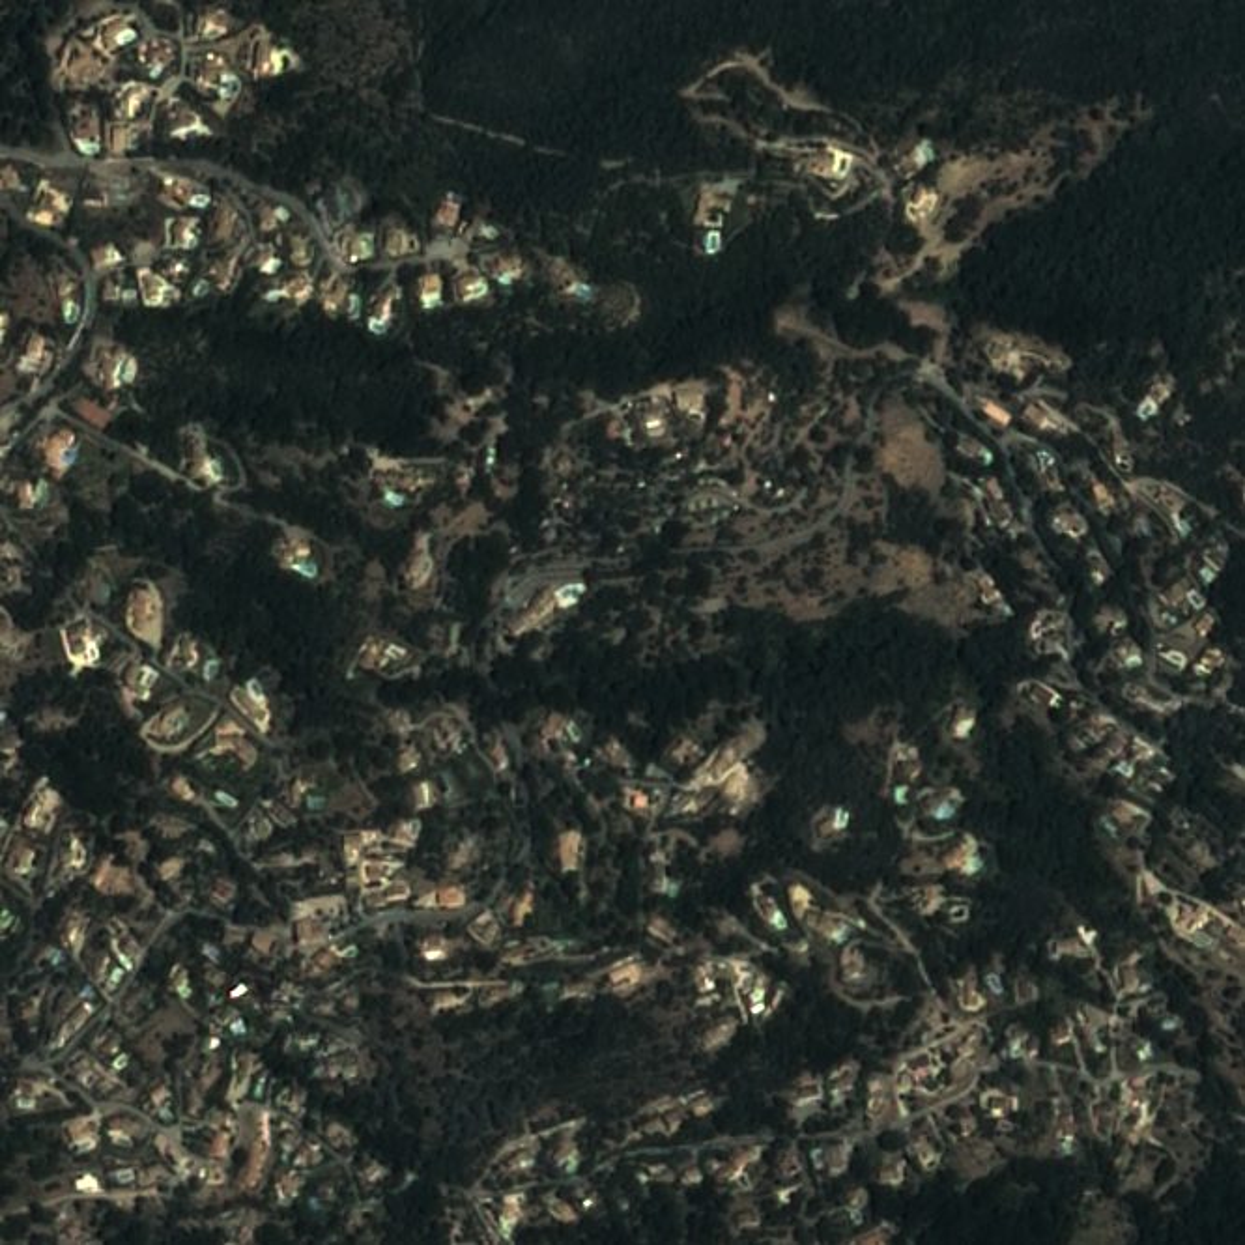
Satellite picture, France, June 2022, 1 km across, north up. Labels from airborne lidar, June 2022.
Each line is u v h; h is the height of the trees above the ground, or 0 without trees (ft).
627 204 34
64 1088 29
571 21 20
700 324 44
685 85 21
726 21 23
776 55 26
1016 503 18
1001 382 32
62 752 46
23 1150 41
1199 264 22
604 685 47
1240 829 44
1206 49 19
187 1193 42
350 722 23
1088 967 31
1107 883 44
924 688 48
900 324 49
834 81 33
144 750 28
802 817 24
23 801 33
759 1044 32
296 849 25
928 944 32
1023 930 38
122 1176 0
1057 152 30
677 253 35
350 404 44
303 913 0
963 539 57
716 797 26
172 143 21
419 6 25
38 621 35
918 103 30
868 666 46
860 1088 21
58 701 41
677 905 32
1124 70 24
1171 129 30
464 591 45
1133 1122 21
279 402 51
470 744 22
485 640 42
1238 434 19
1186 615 18
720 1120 41
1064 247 29
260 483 24
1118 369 45
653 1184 24
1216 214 29
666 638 35
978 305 37
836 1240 45
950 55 20
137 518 33
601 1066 26
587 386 48
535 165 40
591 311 28
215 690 0
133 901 53
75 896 26
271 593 38
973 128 19
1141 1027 43
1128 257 24
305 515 26
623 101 42
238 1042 21
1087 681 49
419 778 18
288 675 44
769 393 19
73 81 0
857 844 25
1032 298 47
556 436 52
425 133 20
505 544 49
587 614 42
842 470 55
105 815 52
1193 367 29
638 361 64
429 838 39
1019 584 25
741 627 44
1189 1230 31
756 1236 28
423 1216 54
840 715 30
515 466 38
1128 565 27
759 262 35
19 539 29
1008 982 22
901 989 38
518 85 19
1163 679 20
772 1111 57
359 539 25
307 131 24
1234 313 37
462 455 32
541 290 27
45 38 35
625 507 24
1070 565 31
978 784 25
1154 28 27
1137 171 34
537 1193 35
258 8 23
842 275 53
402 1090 48
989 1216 31
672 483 29
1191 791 41
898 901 26
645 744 31
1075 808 36
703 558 35
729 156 26
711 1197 40
